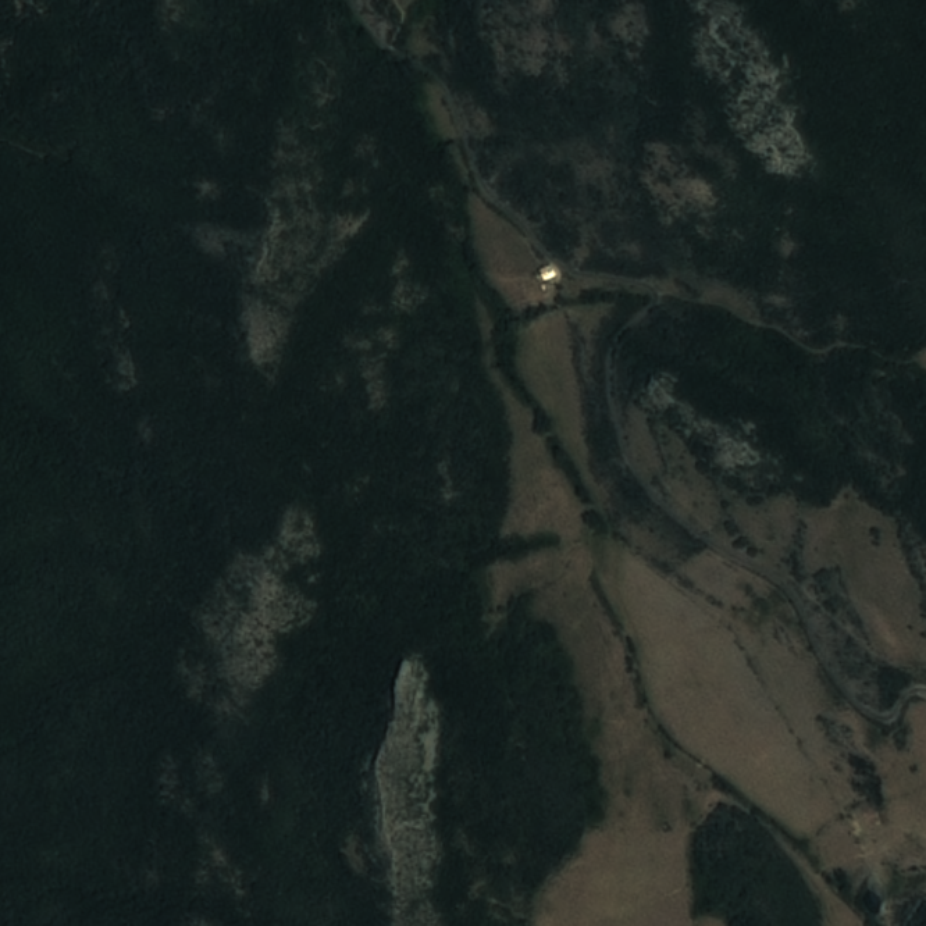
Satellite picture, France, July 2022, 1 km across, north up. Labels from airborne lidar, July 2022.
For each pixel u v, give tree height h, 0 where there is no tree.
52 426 12
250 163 6
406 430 11
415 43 0
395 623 9
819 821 0
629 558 0
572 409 0
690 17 6
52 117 9
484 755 6
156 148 8
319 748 6
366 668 7
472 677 9
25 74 6
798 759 0
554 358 0
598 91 6
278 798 6
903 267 5
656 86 6
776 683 0
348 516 9
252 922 8
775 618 0
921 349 6
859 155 6
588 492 10
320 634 9
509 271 0
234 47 8
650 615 0
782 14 7
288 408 7
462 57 8
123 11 8
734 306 0
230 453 5
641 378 6
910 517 6
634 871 0
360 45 9
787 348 9
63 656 8
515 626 10
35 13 6
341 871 8
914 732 0
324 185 7
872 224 6
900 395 9
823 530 0
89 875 10
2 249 10
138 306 12
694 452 10
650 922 0
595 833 0
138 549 8
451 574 11
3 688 7
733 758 0
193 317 8
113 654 7
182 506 8
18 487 7
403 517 6
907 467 7
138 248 7
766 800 0
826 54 9
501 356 12
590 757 0
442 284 6
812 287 7
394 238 9
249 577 0
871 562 0
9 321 9
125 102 7
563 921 0
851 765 6
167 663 7
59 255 7
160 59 7
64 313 7
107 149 8
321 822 6
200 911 6
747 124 0
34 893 9
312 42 6
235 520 7
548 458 0
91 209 11
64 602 8
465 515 6
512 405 0
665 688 0
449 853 6
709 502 0
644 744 0
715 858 8
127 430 8
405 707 0
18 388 10
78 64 7
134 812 9
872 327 7
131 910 6
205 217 7
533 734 10
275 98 9
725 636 0
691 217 7
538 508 0
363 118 7
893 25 7
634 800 0
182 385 7
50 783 6
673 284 0
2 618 7
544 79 8
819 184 9
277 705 5
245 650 0
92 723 7
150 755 10
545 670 7
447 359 9
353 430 8
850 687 0
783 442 7
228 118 8
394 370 7
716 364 6
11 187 9
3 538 7
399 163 7
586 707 0
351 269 8
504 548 8
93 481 10
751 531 0
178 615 7
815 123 11
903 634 0
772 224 7
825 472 6
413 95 7
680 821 0
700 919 0
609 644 0
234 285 6
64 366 6
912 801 0
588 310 0
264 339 0
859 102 8
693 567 0
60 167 10
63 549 6
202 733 5
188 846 7
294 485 6
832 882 22
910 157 8
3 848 7
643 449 0
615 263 6
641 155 8
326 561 9
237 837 6
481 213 0
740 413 7
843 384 6
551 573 0
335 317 7
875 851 0
